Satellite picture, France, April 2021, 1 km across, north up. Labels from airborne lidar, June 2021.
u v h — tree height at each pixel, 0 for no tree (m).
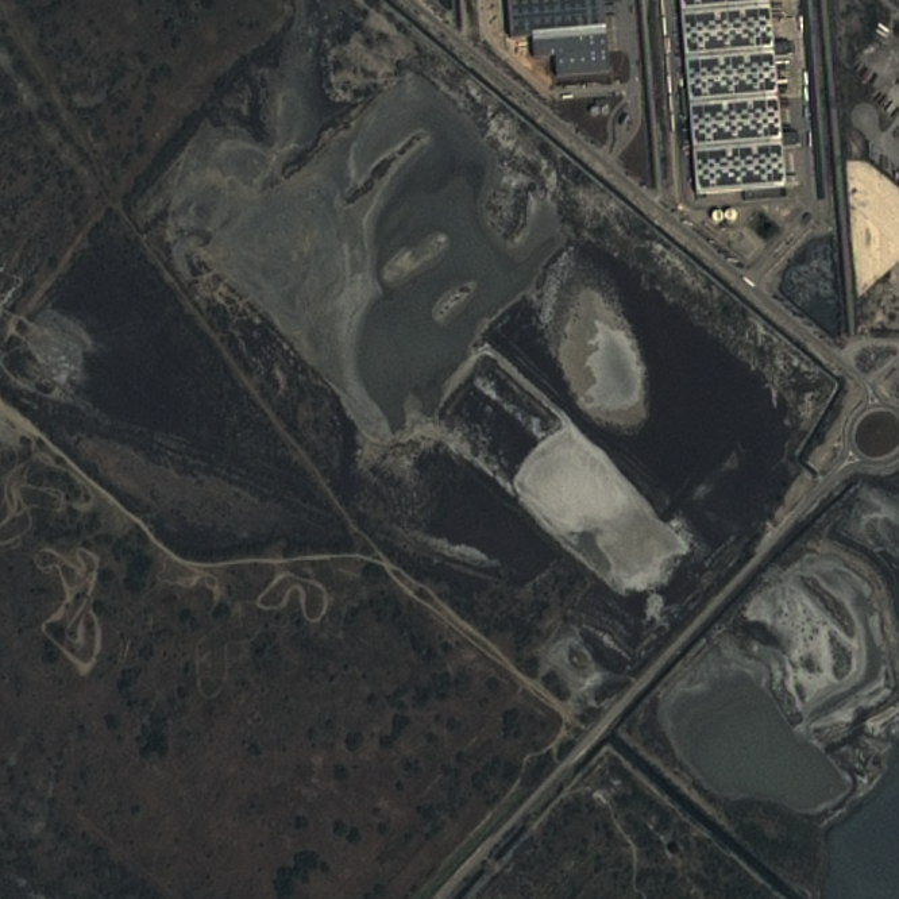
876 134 0
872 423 0
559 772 0
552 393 0
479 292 0
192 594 0
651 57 0
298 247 0
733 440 0
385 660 0
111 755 0
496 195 0
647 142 0
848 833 0
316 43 0
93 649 0
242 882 0
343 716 0
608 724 0
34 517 0
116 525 0
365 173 0
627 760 0
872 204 0
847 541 0
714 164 0
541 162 0
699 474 0
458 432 0
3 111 0
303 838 0
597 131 0
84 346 0
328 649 0
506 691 0
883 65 0
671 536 0
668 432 0
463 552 0
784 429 0
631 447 0
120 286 0
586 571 0
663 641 0
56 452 0
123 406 0
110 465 0
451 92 0
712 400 0
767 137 0
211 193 0
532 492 0
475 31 0
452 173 0
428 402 0
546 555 0
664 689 0
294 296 0
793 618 0
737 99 0
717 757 0
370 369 0
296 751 0
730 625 0
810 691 0
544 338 0
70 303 0
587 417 0
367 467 0
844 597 0
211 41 0
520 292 0
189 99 0
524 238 0
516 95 0
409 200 0
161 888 0
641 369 0
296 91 0
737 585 0
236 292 0
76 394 0
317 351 0
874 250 0
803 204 0
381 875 0
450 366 0
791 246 0
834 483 0
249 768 0
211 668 0
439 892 0
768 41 0
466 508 0
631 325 0
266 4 0
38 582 0
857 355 0
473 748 0
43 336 0
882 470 0
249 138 0
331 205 0
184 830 0
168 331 0
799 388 0
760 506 0
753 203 0
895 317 0
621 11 0
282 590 0
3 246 0
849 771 0
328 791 0
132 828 0
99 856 7
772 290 0
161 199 0
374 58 0
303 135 0
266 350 0
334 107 0
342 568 0
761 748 0
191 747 0
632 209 0
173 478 0
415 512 0
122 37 0
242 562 0
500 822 0
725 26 0
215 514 0
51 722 0
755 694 0
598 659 0
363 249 0
